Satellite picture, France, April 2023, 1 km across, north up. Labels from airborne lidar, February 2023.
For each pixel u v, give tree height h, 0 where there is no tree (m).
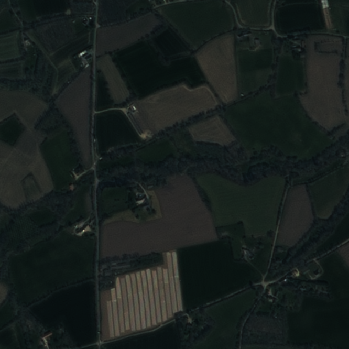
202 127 0
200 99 0
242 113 0
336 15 0
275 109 0
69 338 8
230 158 21
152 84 0
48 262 0
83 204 0
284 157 8
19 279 0
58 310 0
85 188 0
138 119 0
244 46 0
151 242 0
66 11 0
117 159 10
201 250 0
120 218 0
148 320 0
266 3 0
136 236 0
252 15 0
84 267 0
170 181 0
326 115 0
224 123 10
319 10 0
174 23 0
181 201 0
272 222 0
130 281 0
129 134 0
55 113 24
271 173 18
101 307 0
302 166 28
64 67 0
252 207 0
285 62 0
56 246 0
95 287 7
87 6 15
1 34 8
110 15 19
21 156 0
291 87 0
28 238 23
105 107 0
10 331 0
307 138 0
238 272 0
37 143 0
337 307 0
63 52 0
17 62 9
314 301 0
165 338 0
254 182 9
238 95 0
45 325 0
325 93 0
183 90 0
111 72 0
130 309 0
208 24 0
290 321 0
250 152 0
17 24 11
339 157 13
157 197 0
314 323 0
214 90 0
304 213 0
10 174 0
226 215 0
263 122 0
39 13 0
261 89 10
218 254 0
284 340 16
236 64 0
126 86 0
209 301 0
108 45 0
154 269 0
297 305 10
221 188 0
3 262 18
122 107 6
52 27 19
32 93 9
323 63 0
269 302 0
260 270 0
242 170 0
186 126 10
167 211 0
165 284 0
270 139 0
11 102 0
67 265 0
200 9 0
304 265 14
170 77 0
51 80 8
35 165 0
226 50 0
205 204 12
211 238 0
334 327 0
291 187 8
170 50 0
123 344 0
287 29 0
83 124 0
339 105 0
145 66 0
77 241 0
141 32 0
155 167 22
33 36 0
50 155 0
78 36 0
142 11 7
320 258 14
